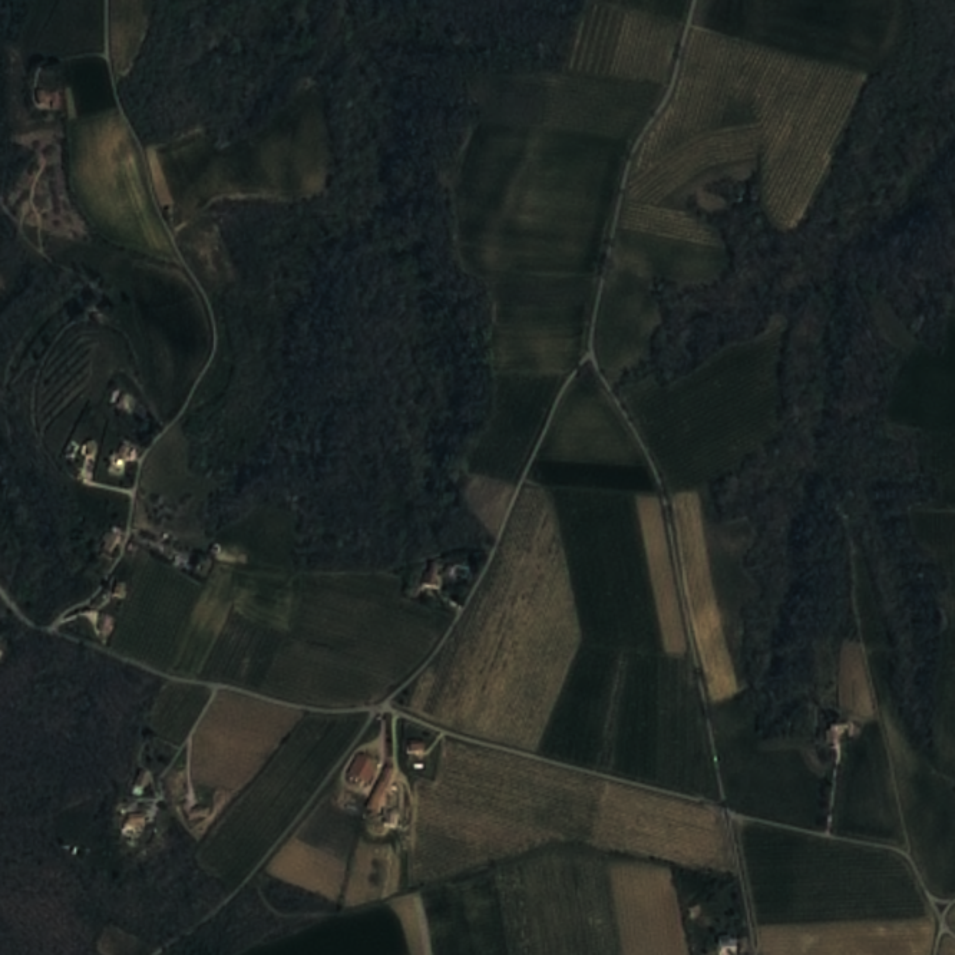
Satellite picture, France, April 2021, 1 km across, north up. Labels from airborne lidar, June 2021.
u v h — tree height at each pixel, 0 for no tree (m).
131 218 0
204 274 0
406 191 22
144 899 8
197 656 0
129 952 0
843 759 0
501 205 0
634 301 0
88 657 15
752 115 0
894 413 0
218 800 0
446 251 20
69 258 0
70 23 0
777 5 0
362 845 0
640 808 0
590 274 0
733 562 0
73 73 0
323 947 0
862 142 16
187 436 6
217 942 9
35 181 0
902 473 13
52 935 13
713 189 8
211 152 0
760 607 17
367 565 14
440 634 0
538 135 0
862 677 0
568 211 0
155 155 0
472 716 0
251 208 8
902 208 14
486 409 14
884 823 0
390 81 24
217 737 0
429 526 9
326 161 0
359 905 0
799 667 21
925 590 12
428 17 16
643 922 0
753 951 0
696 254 0
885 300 9
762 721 7
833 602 16
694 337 18
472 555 7
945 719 0
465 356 21
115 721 13
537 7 11
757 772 0
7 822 15
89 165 0
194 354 0
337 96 17
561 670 0
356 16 31
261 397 15
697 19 0
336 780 0
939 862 0
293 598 0
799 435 21
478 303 20
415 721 0
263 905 5
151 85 8
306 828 0
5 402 13
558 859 0
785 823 0
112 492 0
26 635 13
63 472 12
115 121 0
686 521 0
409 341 6
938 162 22
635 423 9
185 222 0
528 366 0
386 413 23
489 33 19
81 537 7
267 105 17
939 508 0
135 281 0
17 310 23
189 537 0
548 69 13
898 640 16
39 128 0
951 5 18
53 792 7
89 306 13
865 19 0
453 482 18
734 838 0
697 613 0
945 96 25
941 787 0
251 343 16
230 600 0
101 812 7
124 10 0
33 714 5
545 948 0
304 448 16
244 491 16
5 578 10
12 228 20
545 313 0
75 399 0
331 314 26
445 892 0
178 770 0
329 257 30
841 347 16
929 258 18
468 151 0
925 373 0
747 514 13
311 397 19
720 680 0
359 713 0
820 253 29
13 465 20
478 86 0
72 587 9
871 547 6
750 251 21
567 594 0
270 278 11
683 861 0
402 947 0
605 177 0
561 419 0
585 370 9
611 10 0
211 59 17
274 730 0
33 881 11
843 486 14
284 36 27
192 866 8
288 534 0
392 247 23
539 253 0
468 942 0
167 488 0
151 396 0
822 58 0
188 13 7
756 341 8
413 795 0
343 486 20
